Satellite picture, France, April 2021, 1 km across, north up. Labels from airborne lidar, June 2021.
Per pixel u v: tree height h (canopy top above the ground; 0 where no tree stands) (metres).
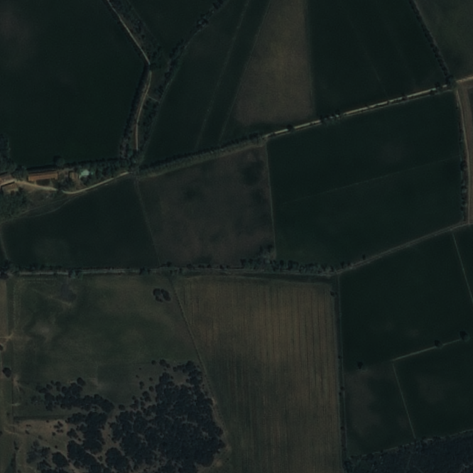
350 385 0
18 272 14
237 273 0
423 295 0
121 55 0
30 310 0
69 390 6
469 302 0
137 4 0
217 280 0
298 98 0
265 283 0
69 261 0
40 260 0
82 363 0
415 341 0
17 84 0
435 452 6
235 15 0
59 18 0
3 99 0
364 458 6
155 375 0
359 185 0
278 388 0
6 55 0
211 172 0
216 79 0
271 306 0
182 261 0
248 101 0
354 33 0
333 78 0
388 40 0
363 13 0
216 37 0
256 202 0
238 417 0
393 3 0
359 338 0
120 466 7
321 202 0
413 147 0
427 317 0
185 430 6
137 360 0
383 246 0
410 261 0
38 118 0
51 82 0
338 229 0
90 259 0
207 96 0
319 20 0
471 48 0
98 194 0
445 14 0
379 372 0
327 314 0
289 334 0
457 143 0
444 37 0
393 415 0
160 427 7
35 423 0
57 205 0
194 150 0
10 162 16
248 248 0
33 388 0
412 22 0
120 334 0
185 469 6
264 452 0
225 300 0
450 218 0
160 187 0
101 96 0
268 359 0
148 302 0
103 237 0
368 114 0
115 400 0
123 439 6
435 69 0
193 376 6
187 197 0
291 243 0
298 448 0
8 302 0
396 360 0
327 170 0
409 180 0
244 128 0
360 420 0
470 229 0
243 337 0
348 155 0
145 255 0
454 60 0
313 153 0
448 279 0
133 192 0
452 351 0
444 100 0
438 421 0
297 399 0
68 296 0
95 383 0
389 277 0
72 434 6
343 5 0
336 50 0
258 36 0
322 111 0
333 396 0
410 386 0
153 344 0
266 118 0
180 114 0
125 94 0
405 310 0
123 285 0
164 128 0
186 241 0
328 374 0
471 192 0
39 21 0
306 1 0
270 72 0
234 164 0
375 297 0
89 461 7
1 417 0
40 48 0
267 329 0
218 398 0
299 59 0
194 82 0
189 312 0
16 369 0
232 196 0
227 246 0
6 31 0
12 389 0
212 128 0
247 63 0
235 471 0
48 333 0
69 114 0
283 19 0
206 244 0
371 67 0
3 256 0
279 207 0
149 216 0
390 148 0
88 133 0
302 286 0
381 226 0
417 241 0
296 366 0
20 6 0
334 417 0
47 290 0
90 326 0
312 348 0
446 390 0
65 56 0
